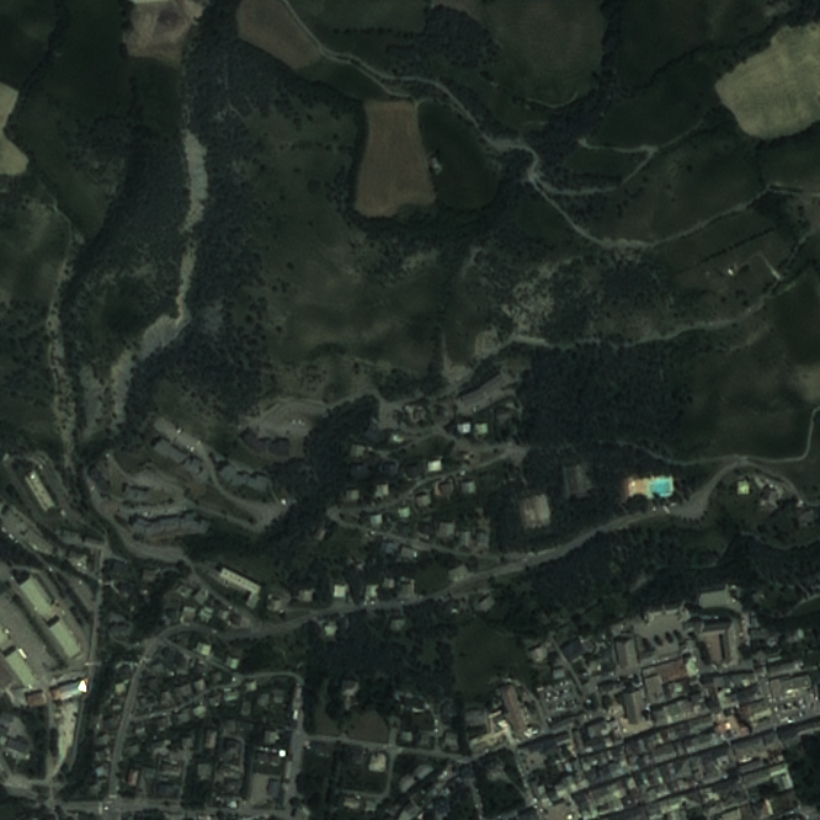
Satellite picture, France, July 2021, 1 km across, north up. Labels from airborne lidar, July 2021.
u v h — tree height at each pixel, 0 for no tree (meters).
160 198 8
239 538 7
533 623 13
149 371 12
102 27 0
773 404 0
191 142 0
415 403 6
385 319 0
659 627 0
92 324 0
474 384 7
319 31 0
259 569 0
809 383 0
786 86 0
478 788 6
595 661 6
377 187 0
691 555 15
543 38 0
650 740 0
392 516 7
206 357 6
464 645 0
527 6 0
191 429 0
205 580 0
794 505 6
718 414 0
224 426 0
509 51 0
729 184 0
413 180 0
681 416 9
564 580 19
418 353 0
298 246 0
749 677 0
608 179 10
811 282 0
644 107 0
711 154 0
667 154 7
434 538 7
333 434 11
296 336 0
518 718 0
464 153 0
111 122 11
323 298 0
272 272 0
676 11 0
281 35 0
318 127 0
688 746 0
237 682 0
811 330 0
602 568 20
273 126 0
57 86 0
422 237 9
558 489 14
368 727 0
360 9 0
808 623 8
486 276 7
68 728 0
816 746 30
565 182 10
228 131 8
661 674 0
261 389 10
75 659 0
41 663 0
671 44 0
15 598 8
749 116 0
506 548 12
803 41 0
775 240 0
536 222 0
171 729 10
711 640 0
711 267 0
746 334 0
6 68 0
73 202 0
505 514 14
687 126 0
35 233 0
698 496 0
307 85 10
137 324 6
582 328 6
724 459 0
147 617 7
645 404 17
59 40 12
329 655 17
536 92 0
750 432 0
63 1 7
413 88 7
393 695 23
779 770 0
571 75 0
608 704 9
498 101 0
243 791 8
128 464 0
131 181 14
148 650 0
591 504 8
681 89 0
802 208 8
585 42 0
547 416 18
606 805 0
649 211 0
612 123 0
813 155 0
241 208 7
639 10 0
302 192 0
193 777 11
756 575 13
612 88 7
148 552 0
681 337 7
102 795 8
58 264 0
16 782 0
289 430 0
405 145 0
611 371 13
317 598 17
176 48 0
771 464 0
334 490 9
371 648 23
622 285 10
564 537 17
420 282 0
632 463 20
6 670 0
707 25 0
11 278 0
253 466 0
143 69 0
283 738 7
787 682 0
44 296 0
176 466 0
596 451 20
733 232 0
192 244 9
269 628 0
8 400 0
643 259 6
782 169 0
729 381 0
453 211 7
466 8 0
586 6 0
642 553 12
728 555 10
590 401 17
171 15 0
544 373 15
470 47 10
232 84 7
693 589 20
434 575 0
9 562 8
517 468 8
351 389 0
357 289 0
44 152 0
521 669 0
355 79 0
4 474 0
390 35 7
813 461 0
